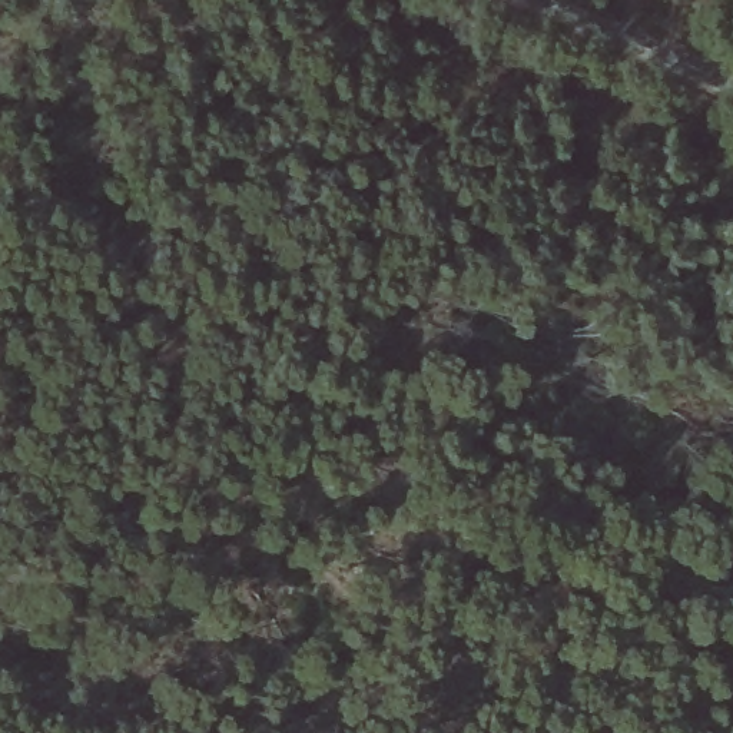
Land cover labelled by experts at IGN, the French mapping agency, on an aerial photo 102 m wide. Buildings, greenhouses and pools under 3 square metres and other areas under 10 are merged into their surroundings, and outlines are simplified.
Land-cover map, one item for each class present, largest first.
<instances>
[{"label":"coniferous trees","instance_id":"1","mask_svg":"<svg viewBox=\"0 0 733 733\"><path fill-rule=\"evenodd\" d=\"M0 733H733V0H0Z\"/></svg>","mask_w":733,"mask_h":733}]
</instances>
